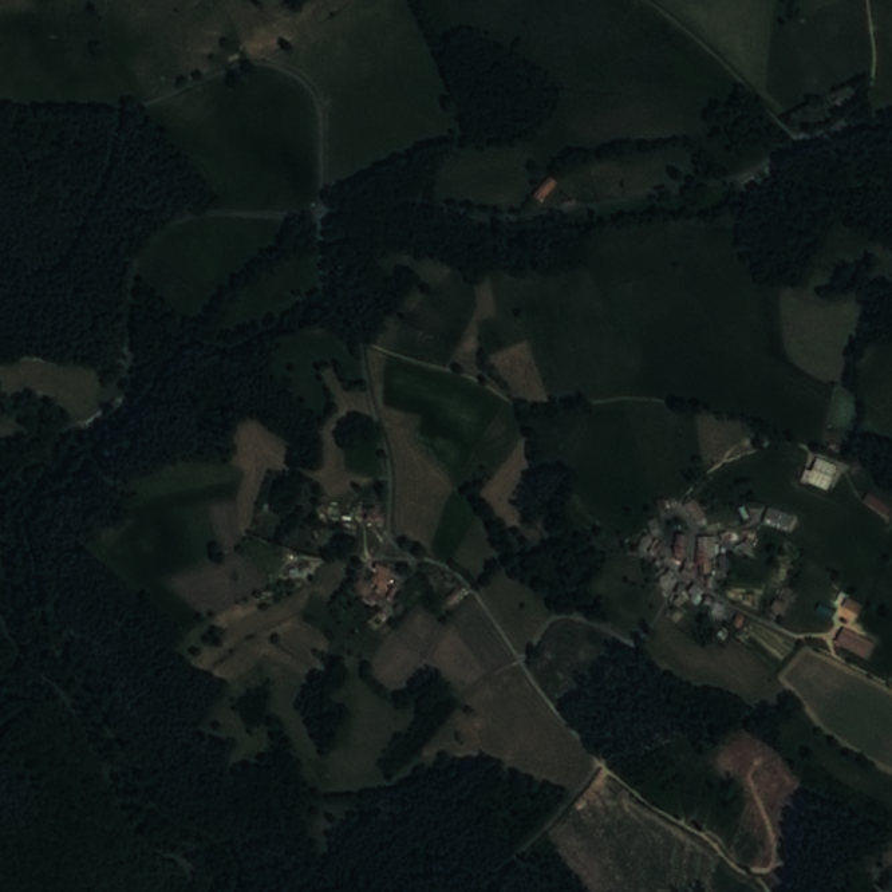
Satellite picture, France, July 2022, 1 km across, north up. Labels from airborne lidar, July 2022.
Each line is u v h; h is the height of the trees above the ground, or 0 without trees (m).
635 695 27
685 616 0
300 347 0
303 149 0
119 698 30
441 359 0
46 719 24
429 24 19
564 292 0
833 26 0
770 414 0
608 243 0
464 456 0
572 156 19
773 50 0
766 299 0
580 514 0
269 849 25
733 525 0
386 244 23
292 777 21
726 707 19
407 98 0
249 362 24
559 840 0
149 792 14
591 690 28
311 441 17
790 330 0
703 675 0
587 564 13
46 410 17
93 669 20
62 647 6
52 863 12
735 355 0
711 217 15
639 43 0
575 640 0
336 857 20
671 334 0
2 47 0
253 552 0
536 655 13
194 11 0
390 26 0
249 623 0
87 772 17
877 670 0
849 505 0
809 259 20
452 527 0
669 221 22
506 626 0
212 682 29
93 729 22
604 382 0
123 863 17
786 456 0
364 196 23
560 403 21
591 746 21
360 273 26
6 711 30
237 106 0
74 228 19
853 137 26
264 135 0
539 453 16
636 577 0
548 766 0
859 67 0
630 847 0
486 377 14
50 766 27
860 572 0
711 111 15
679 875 0
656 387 0
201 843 25
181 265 0
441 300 0
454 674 0
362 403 0
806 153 28
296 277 0
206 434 23
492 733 0
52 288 37
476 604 0
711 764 0
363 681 12
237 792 28
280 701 0
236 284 20
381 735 0
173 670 30
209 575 0
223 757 30
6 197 28
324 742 22
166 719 29
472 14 0
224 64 0
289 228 20
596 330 0
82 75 0
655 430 0
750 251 22
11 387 0
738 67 0
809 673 0
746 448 0
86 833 20
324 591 0
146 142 37
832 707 0
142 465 36
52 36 0
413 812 33
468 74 24
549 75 12
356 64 0
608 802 0
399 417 0
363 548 0
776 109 0
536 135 16
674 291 0
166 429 25
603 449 0
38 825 22
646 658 20
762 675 0
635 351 0
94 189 22
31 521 18
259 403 23
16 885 15
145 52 0
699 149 13
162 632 23
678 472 0
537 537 0
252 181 0
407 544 16
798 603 0
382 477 0
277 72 0
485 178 0
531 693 0
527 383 0
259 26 0
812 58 0
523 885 30
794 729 0
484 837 24
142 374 18
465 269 22
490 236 21
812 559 0
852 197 16
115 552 0
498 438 0
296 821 8
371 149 0
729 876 0
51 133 22
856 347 15
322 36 0
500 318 0
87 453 6
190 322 17
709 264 0
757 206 24
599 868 0
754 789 0
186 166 20
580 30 0
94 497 30
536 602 0
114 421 9
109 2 0
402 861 27
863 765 16
